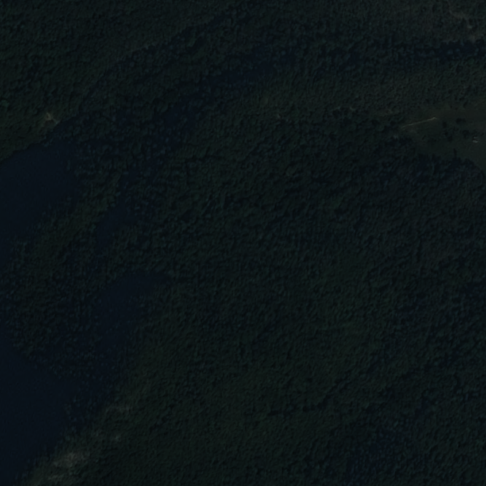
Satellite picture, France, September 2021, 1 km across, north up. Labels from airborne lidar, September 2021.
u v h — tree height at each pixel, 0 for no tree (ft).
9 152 71
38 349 96
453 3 36
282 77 56
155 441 73
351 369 77
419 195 96
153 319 74
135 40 52
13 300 92
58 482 37
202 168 97
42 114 47
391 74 52
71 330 83
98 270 86
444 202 77
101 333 85
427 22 48
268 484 82
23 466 76
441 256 75
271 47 100
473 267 109
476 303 90
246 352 115
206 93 93
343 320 79
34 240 81
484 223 106
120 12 103
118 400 29
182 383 55
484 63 70
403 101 47
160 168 79
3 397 100
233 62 101
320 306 80
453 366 119
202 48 84
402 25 44
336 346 61
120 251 83
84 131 89
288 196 122
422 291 120
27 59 91
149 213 73
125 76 67
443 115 0
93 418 85
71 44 122
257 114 69
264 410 114
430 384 112
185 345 75
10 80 85
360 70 74
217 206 115
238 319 88
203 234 95
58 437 78
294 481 101
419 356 81
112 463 98
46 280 58
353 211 103
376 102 70
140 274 79
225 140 109
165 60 60
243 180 82
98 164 76
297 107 62
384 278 85
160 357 61
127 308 76
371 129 79
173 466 84
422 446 85
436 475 81
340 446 97
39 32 78
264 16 84
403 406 126
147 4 67
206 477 111
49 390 92
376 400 108
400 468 96
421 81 37
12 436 81
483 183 89
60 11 94
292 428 68
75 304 80
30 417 88
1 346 76
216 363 91
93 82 39
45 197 89
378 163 106
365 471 117
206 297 89
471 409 96
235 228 115
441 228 101
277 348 107
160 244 75
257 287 82
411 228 73
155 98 106
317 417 75
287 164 96
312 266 71
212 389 75
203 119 68
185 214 32
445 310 73
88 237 92
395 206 85
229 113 81
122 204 106
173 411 68
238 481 110
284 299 61
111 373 80
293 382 95
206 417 55
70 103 77
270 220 69
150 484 94
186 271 93
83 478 43
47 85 109
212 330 113
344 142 99
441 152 0
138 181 110
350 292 85
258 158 104
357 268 59
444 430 92
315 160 104
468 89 34
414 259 111
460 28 48
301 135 100
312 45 111
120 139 101
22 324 80
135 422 74
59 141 79
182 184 103
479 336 121
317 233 53
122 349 71
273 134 105
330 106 70
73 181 62
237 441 64
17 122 67
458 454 92
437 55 24
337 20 23
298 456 110
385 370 85
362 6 50
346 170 108
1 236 69
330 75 65
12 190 92
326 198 110
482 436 94
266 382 79
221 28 53
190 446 78
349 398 73
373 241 97
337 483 97
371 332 77
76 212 74
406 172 88
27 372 103
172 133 72
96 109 56
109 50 64
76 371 108
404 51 67
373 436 106
